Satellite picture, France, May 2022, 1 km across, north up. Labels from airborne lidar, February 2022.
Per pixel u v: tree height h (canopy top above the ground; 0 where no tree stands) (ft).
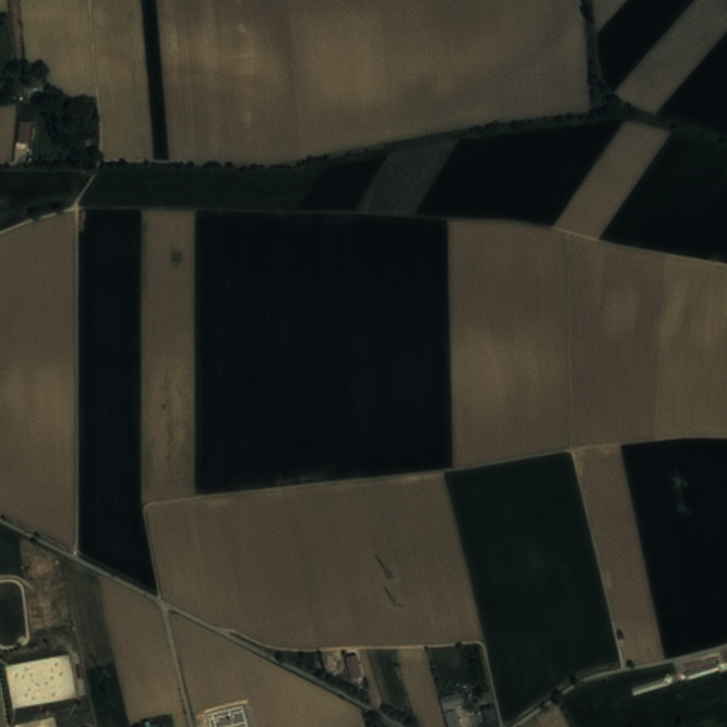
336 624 0
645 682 0
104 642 0
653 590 0
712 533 0
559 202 0
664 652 0
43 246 0
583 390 0
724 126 0
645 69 0
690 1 0
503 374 0
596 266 0
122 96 0
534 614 0
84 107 56
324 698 0
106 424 0
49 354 0
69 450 0
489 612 0
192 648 0
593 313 0
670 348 0
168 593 0
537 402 0
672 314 0
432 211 0
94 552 0
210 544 0
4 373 0
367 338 0
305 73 0
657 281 0
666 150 0
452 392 0
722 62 0
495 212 0
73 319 0
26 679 0
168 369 0
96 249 0
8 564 0
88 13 0
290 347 0
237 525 0
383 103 0
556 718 0
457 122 0
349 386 0
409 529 0
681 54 0
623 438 0
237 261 0
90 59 0
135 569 0
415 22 0
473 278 0
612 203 0
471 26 0
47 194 0
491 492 0
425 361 0
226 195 0
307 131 0
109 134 0
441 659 0
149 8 0
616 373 0
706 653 0
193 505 0
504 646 0
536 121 0
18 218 0
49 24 0
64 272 0
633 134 0
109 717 0
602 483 0
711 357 0
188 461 0
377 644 0
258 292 0
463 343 0
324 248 0
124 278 0
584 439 0
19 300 0
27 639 0
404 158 0
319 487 0
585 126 0
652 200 0
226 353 0
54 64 0
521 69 0
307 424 0
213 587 0
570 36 0
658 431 0
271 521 0
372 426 0
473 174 0
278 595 0
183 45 0
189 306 0
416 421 0
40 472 0
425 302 0
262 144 0
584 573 0
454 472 0
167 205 0
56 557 0
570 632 0
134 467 0
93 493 0
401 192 0
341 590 0
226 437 0
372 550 0
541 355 0
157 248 0
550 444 0
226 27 0
